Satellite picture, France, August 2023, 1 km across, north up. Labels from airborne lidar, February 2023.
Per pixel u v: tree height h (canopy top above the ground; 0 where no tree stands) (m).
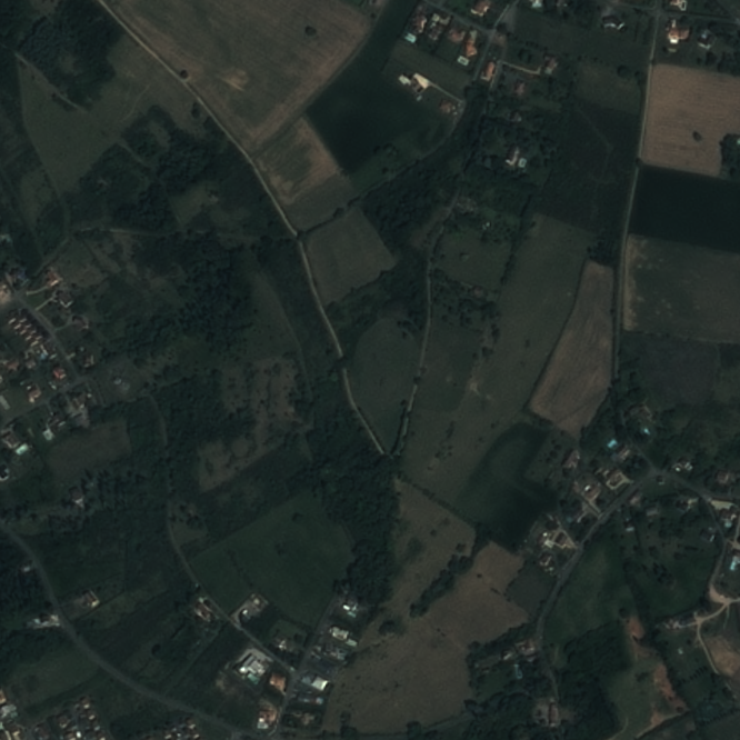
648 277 0
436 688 0
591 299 0
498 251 0
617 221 7
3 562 9
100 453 0
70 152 0
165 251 13
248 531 0
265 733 0
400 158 11
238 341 12
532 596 0
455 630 0
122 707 0
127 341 8
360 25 0
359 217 0
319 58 0
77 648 0
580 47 0
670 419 13
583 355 0
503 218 0
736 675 0
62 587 0
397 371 0
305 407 11
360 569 17
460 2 0
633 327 0
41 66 13
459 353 0
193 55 0
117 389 0
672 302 0
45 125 0
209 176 12
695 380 0
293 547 0
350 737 18
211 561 0
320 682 0
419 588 0
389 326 0
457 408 0
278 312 0
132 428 8
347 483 22
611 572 0
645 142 0
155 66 0
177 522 9
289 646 0
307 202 0
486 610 0
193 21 0
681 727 0
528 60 12
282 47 0
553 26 0
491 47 0
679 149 0
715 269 0
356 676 0
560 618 0
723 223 0
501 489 0
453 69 0
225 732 0
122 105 0
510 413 0
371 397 0
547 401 0
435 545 0
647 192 0
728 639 0
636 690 0
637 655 0
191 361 0
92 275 0
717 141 0
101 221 0
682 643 0
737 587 0
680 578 0
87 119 0
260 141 0
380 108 0
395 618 0
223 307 29
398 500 13
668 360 0
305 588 0
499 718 24
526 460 0
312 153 0
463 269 0
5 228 13
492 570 0
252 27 0
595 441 14
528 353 0
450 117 0
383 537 6
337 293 0
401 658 0
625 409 12
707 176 0
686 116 0
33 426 0
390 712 0
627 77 14
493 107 9
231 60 0
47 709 0
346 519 9
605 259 14
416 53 0
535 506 0
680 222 0
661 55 0
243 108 0
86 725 11
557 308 0
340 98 0
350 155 0
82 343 0
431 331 0
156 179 6
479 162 19
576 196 5
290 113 0
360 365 0
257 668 0
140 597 0
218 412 9
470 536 0
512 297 0
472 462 0
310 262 0
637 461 6
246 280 0
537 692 21
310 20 0
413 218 17
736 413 0
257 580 0
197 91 0
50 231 6
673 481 0
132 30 0
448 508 6
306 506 0
